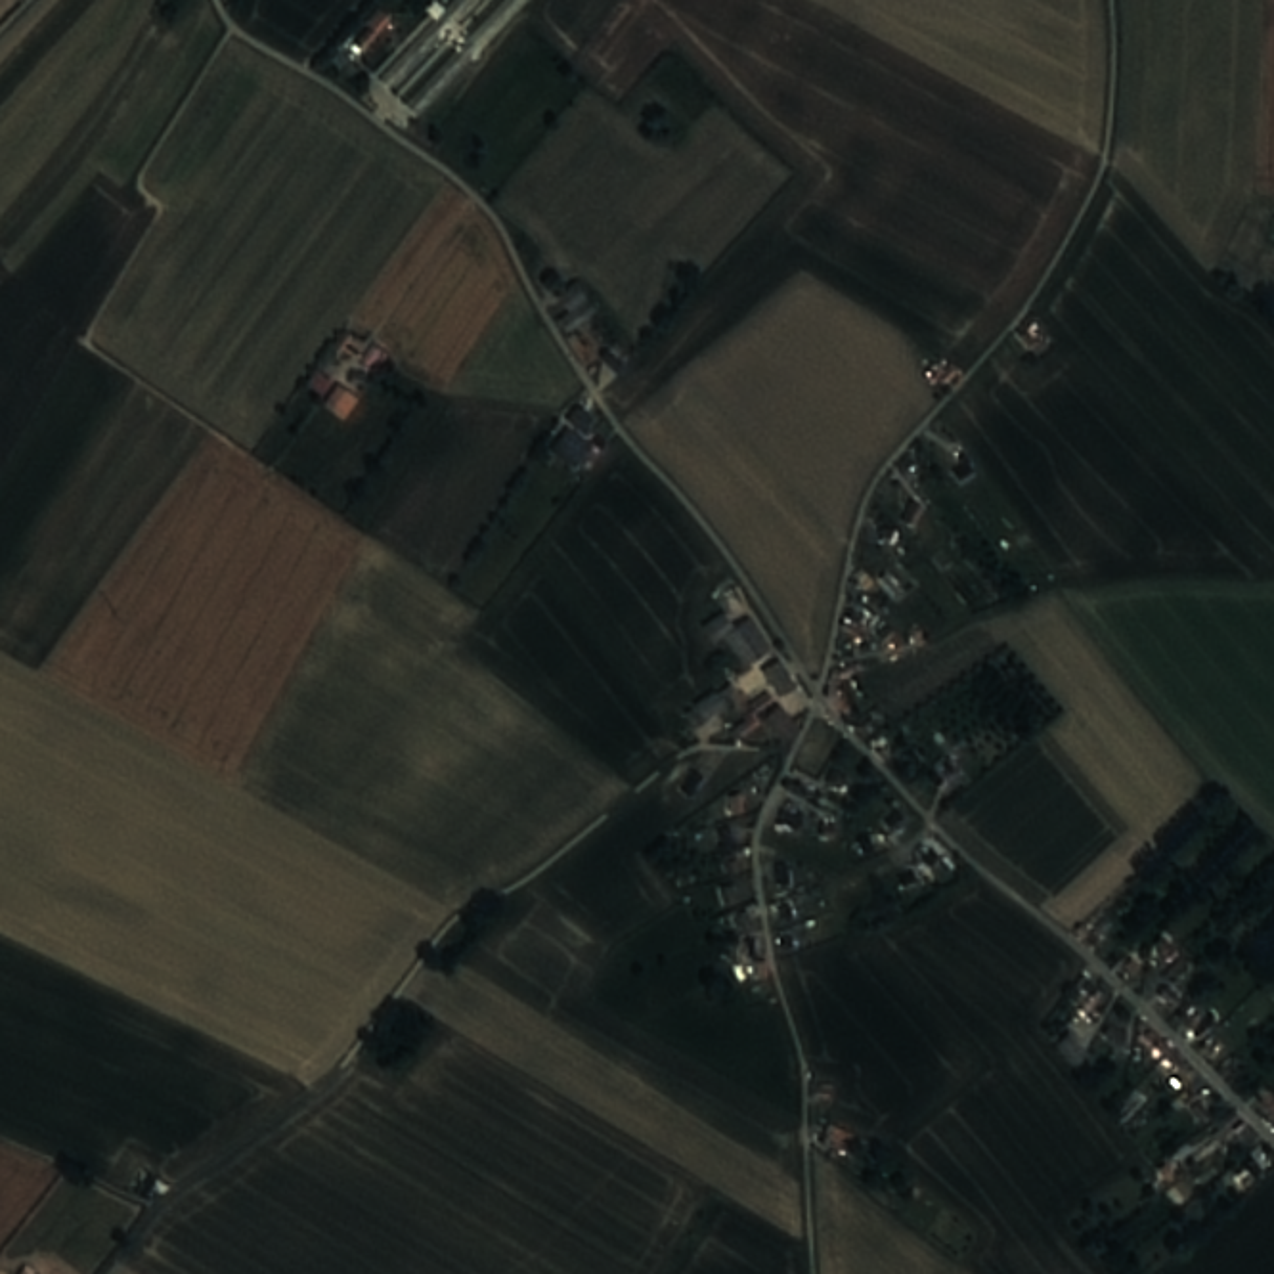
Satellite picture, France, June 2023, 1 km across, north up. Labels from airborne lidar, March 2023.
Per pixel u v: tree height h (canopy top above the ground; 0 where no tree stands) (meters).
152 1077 0
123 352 0
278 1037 0
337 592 0
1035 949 0
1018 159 0
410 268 0
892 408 0
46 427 0
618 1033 0
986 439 0
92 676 0
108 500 0
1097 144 0
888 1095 0
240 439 0
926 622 0
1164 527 0
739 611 0
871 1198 0
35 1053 0
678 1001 0
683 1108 0
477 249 0
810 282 0
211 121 0
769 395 0
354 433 0
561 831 0
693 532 0
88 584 0
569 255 0
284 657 0
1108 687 0
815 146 0
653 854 8
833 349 0
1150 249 0
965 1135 0
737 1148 0
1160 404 0
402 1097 0
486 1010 0
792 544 0
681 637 0
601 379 0
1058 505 0
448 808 0
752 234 0
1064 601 0
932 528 0
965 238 0
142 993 0
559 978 0
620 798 0
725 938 7
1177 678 0
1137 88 0
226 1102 0
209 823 0
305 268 0
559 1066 0
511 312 0
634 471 0
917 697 0
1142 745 0
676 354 0
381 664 0
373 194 0
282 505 0
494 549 0
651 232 0
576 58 0
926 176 0
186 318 0
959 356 0
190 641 0
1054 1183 0
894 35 0
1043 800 0
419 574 0
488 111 0
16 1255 0
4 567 0
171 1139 0
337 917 0
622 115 0
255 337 0
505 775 0
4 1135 0
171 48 0
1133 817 0
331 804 0
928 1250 0
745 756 0
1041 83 0
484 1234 0
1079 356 0
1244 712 0
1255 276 0
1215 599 0
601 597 0
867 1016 0
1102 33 0
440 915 0
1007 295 0
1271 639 0
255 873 0
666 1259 0
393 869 0
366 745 0
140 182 0
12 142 0
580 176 0
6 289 0
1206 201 0
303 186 0
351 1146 0
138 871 0
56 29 0
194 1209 0
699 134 0
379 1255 0
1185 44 0
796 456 0
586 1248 0
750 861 0
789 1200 0
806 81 0
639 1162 0
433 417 0
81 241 0
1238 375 0
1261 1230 0
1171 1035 0
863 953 0
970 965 0
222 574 0
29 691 0
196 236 0
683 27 0
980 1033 0
